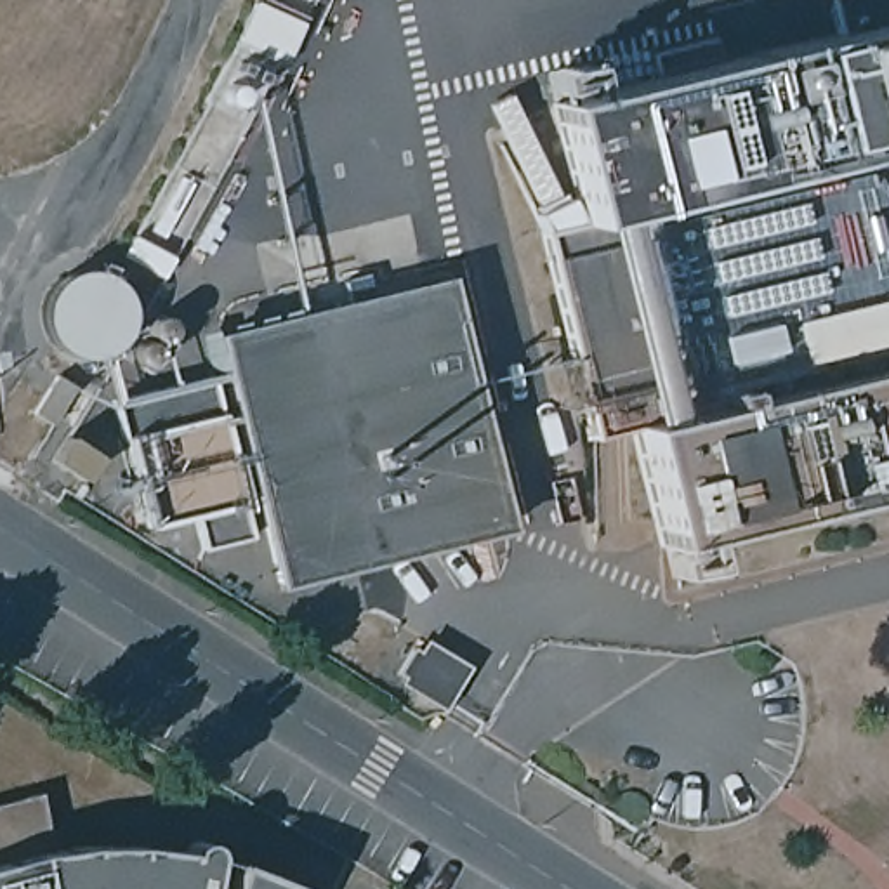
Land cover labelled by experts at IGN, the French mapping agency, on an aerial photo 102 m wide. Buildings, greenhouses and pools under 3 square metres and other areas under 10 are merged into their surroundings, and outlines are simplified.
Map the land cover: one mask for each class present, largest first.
<instances>
[{"label":"impervious surface","instance_id":"1","mask_svg":"<svg viewBox=\"0 0 889 889\"><path fill-rule=\"evenodd\" d=\"M222 0H170V10L149 45L146 63L139 66L122 108L108 118L94 142L83 146L63 167L0 181V663L24 667L28 674L69 695L97 705L108 726L128 729L170 754L191 750L201 761L205 774L215 778L208 792L212 799H236L250 806L264 792H285V799L299 809L323 813L330 820L365 830L368 844L354 861V872L344 889H698L684 882L677 872L639 854L642 844H649V837H639L635 823L538 767L535 747H570L583 761L587 774L601 781H608L611 774H625L629 785L639 788V799L653 806V813H660L684 833H698L701 826L705 833H733L740 826H754L767 802L781 795V788L802 785V767L809 757L795 754L799 663L767 642V632L872 604L889 608V556L823 566L816 573H795L788 580H771L740 590L729 580L677 590L670 556L649 524L653 514L646 504L635 434H604V441H590L587 420H576L563 399L545 392L542 365L570 361L573 351L566 337H549L556 323L549 319L545 299L556 288L535 219L552 215L563 233H580L583 226L580 212L573 208V198L559 191V181L570 177V163L552 111H559L566 87H576L580 69L604 66L608 56H622L632 69H656L663 59L677 56L688 45L705 52L729 49L750 38L757 24L767 35H785L788 28L806 24L833 31V0H271V7H254L243 38L236 42L222 69L215 90L205 101V115L194 128L167 181V188L156 198V208L139 226L132 250L125 243H115L122 233L111 226V219L132 191V181L139 177L149 149L156 146L170 118L174 97L184 87L194 52L208 35V24ZM97 271L118 274L135 288L142 323L139 337L128 344L125 354H108L101 361L80 365V358L63 344L56 330V302L69 281ZM451 278L465 281L486 361V382L497 403V420L504 431L517 500L531 517V531L500 535L486 545H458L455 552H431L427 563H417L413 570L406 563H392V573L365 576L354 587H326L309 597H292L285 587H278L264 545L201 556L194 528L160 535L149 531V545L156 549H170L174 556L194 559L212 573H236L250 580L254 597L271 604V611H288V618L302 632H313L326 660H340L365 684H375L403 705L413 701L417 708H427L431 729L406 733L392 726V715L361 698H344L340 691L319 681H295L292 674L278 670L264 656L271 642L260 632L236 622L229 611L215 608L208 597H198L177 580L163 576L160 570L146 566L139 556L108 542L94 528L66 517L63 500L80 497L87 504L104 500L122 517V524L135 521V490L122 486L128 451L115 417L118 410H128V385L135 379H142L146 372L153 375L208 361L205 330L236 333L240 326H264L271 316H288L299 309V302L309 299L313 313H326ZM410 635H434L465 660L483 663L479 688L462 691L458 705H445L417 691L410 667L424 653H403L399 642ZM740 642H761L764 660H774L781 667L767 674V681L750 684V677L729 663V646Z\"/></svg>","mask_w":889,"mask_h":889},{"label":"building","instance_id":"2","mask_svg":"<svg viewBox=\"0 0 889 889\"><path fill-rule=\"evenodd\" d=\"M833 31L806 24L788 28L785 35H767L757 24L750 38L729 49L705 52L688 45L677 56L663 59L656 69H632L622 56H608L604 66L580 69L576 87H566L559 111H552L570 163V177L559 181V191L573 198V208L580 212L583 226L580 233H563L552 215L535 219L556 288L545 299L549 319L556 323L549 337H566L573 351L570 361L542 365L545 392L563 399L576 420H587L590 441H604V434H635L646 504L653 514L649 524L670 556L677 590L729 580H740V559L754 535L788 524L823 528L851 524L847 517L858 510L889 507V0H833ZM142 323L135 288L118 274L97 271L69 281L56 302V330L63 344L80 358V365L101 361L108 354H125L128 344L139 337ZM208 361L153 375L146 372L142 379H135L128 385V410H118L115 417L128 451L122 486L135 490V521L149 531L160 535L194 528L201 556L264 545L278 587H285L292 597H309L326 587H354L365 576L392 573V563H406L413 570L417 563H427L431 552H455L458 545H486L500 535L531 531V517L517 500L504 431L497 420V403L486 382V361L465 281L451 278L326 313H313L309 299L299 302V309L288 316H271L264 326H240L236 333L205 330ZM403 653H424L410 667L417 691L445 705H458L462 691L479 688L483 663L465 660L434 635H410L399 642ZM52 830V806L49 795H35L0 806V847ZM0 889H309L285 875L236 861L229 847L219 844L205 847L201 854L149 847L80 851L0 868Z\"/></svg>","mask_w":889,"mask_h":889},{"label":"herbaceous vegetation","instance_id":"3","mask_svg":"<svg viewBox=\"0 0 889 889\"><path fill-rule=\"evenodd\" d=\"M170 10V0H0V181L63 167L83 146L94 142L108 118L122 108L139 66L146 63L149 45ZM271 7V0H222L208 24V35L194 52L184 87L174 97L170 118L156 146L149 149L139 177L132 181V191L111 219V226L122 233L132 222V212L142 201L149 181H167L194 128L184 125V111L194 104L201 73L215 66L222 69L236 42L243 38L254 7ZM851 524H875V542L861 549H820L816 535L823 528L788 524L754 535L740 559V580H729L740 590L771 580H788L795 573H816L823 566L889 556V507L858 510L847 517ZM767 642L799 663L795 754L809 757L802 767V785L781 788V795L767 802L754 826H740L733 833H705L701 826L698 833H684L660 813H653L635 823L639 837H649V844H642L639 854L677 872L684 882L698 889H889V608L872 604L767 632ZM806 826L826 837V851L816 865L799 868L785 858V837ZM38 722L35 715L14 705L0 708V806L35 795H49L52 806V830L0 847V868L80 851L149 847L201 854L205 847L219 844L229 847L236 861L285 875L309 889H344L354 872V861L368 844L365 830L330 820L323 813L299 809L285 799V792H264L250 806L236 799H212L205 806H163L160 799L146 795V778L122 774L97 754L87 757V764H76L42 747V740L35 736Z\"/></svg>","mask_w":889,"mask_h":889},{"label":"brushwood","instance_id":"4","mask_svg":"<svg viewBox=\"0 0 889 889\"><path fill-rule=\"evenodd\" d=\"M222 69L215 66L201 73L194 104L184 111V125L194 128L205 115V101L215 90ZM167 188V181H149L142 201L132 212V222L122 233L115 243H125L132 250L139 226L156 208V198ZM66 517L94 528L108 542L139 556L146 566L160 570L163 576L177 580L198 597H208L215 608L229 611L236 622L260 632L271 642L264 656L278 670L292 674L295 681H319L340 691L344 698H361L392 715V726L406 733L431 729L427 708H417L413 701L403 705L375 684H365L340 660H326L313 632H302L288 618V611H271V604L254 597L250 580L236 573H212L194 559L174 556L170 549H156L149 545V531L135 521L122 524V517L104 500L87 504L80 497L63 500ZM69 695L28 674L24 667L0 663V708L14 705L35 715L38 722H52V715L63 708Z\"/></svg>","mask_w":889,"mask_h":889},{"label":"deciduous trees","instance_id":"5","mask_svg":"<svg viewBox=\"0 0 889 889\"><path fill-rule=\"evenodd\" d=\"M820 549H861L875 542V524H851L823 528L816 535ZM729 663L750 677V684L767 681V674L781 667L774 660H764L761 642H740L729 646ZM35 736L42 740V747L76 764H87V757L97 754L122 774L146 778V795L160 799L163 806H205L212 799L208 792L215 778L205 774L201 761L191 750L170 754L128 729L108 726L97 705L69 695L63 708L52 715V722H38ZM538 767L635 823L653 813V806L639 799V788L629 785L625 774H611L608 781H601L587 774L583 761L570 747H535ZM826 851V837L806 826L785 837V858L799 868L816 865Z\"/></svg>","mask_w":889,"mask_h":889}]
</instances>
